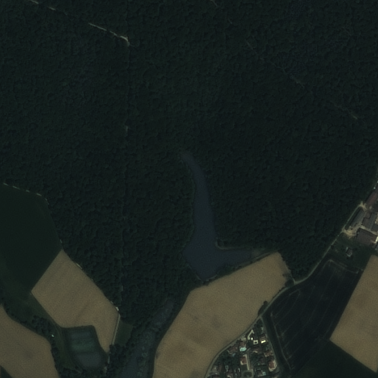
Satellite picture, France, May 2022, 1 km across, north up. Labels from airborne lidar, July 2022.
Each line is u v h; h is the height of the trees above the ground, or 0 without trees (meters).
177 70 26
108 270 26
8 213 0
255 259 0
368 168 26
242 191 31
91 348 0
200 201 0
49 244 0
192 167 0
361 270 0
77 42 14
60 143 25
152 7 28
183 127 28
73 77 19
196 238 0
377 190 0
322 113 33
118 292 17
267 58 28
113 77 28
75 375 21
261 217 28
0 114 15
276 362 0
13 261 0
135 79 29
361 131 31
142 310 26
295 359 0
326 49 20
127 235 28
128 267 27
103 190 28
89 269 19
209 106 23
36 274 0
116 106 32
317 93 33
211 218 0
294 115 31
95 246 25
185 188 28
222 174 29
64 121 26
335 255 0
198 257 0
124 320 21
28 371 0
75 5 27
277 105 30
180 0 26
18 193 0
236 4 26
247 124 31
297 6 23
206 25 24
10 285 0
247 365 0
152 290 25
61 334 0
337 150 32
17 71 25
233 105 30
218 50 30
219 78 26
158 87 28
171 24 28
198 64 23
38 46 22
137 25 24
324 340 0
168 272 31
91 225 24
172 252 32
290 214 30
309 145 27
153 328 0
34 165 28
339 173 30
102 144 31
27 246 0
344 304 0
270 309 0
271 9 28
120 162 27
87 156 27
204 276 0
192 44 20
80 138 26
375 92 28
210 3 26
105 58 28
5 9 18
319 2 28
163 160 31
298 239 24
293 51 19
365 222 0
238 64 28
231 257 0
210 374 0
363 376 0
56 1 26
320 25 26
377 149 21
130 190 26
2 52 22
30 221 0
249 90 30
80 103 24
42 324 21
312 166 31
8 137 26
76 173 27
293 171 32
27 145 24
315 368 0
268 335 0
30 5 22
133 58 26
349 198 29
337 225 23
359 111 31
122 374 0
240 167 30
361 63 21
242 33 24
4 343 0
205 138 29
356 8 29
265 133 25
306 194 29
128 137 25
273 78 25
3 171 24
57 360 15
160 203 28
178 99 19
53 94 24
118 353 16
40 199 0
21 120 29
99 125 28
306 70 22
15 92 25
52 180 26
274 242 29
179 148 18
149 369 0
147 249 32
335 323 0
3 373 0
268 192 26
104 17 27
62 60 18
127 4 24
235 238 20
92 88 27
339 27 28
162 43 29
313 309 0
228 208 26
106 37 24
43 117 26
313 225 20
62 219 27
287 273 0
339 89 23
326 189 34
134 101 31
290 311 0
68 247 17
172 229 31
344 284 0
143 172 27
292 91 27
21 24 28
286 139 31
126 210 31
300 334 0
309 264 18
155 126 30
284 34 26
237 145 31
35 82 25
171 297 18
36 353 0
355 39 26
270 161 29
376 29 28
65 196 25
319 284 0
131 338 13
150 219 32
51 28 21
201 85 28
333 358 0
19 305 0
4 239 0
